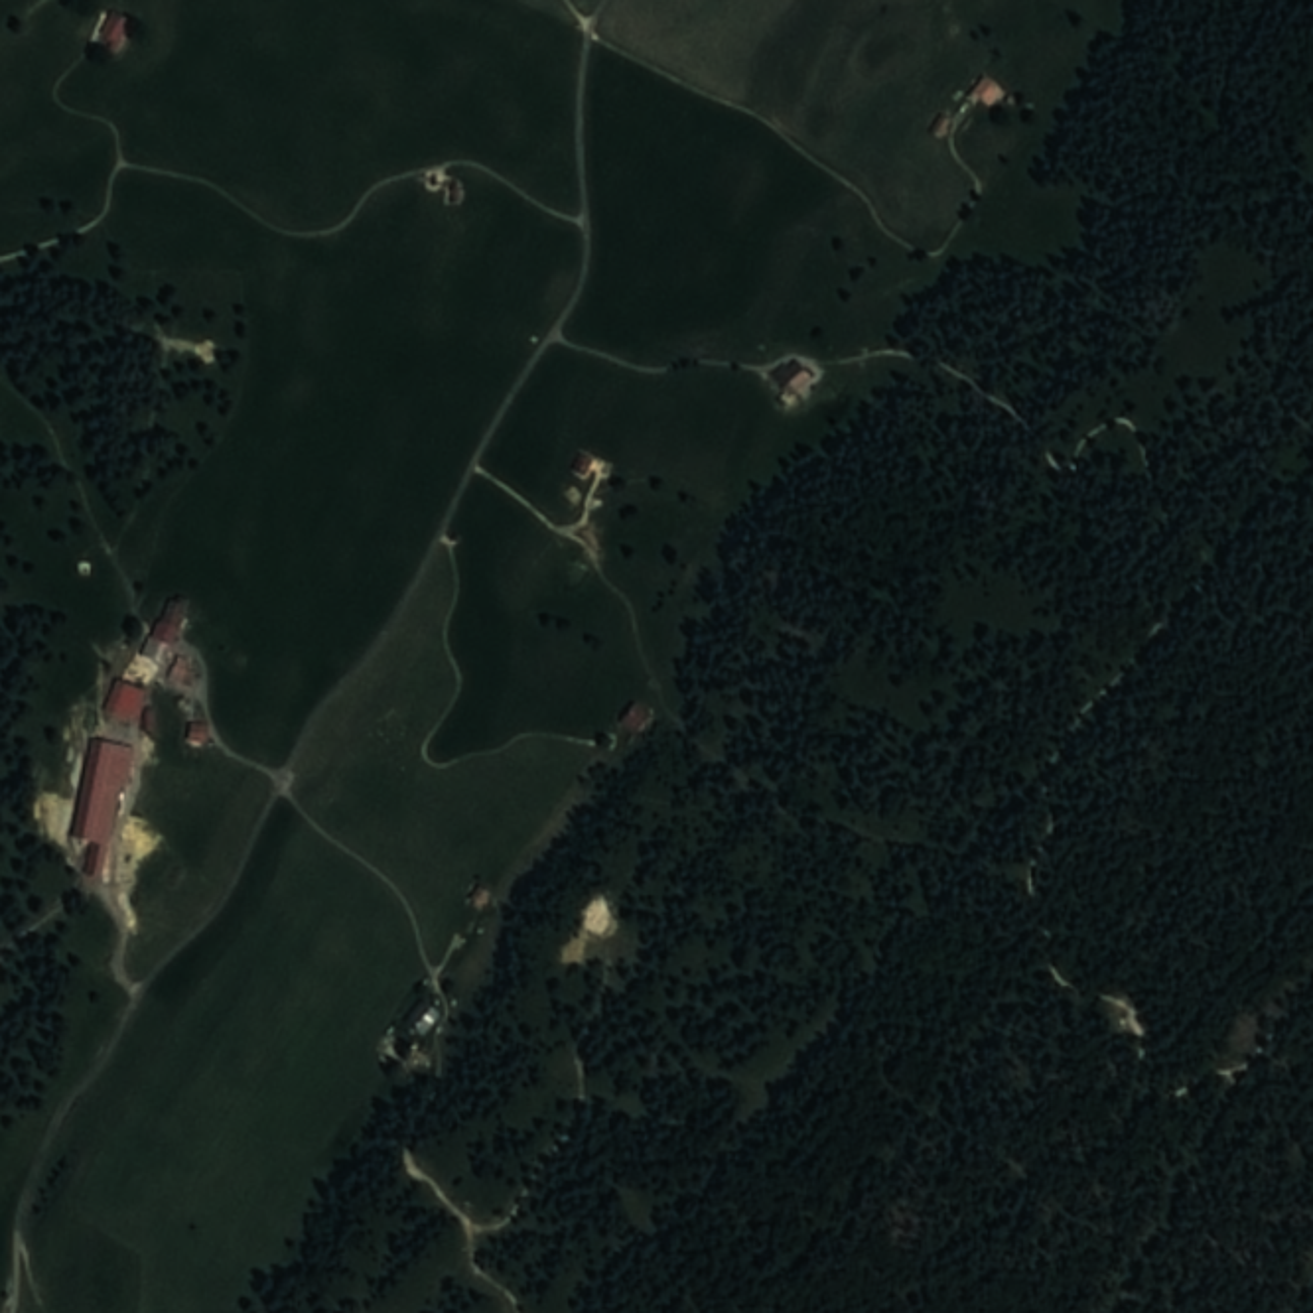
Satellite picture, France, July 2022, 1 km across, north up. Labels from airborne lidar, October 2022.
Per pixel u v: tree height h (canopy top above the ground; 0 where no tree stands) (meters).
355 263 0
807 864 11
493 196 0
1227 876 14
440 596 0
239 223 0
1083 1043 21
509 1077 15
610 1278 16
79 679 0
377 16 0
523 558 0
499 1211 8
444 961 0
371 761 0
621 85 0
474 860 0
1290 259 19
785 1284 25
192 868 0
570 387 0
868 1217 23
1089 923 18
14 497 0
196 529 0
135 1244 0
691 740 12
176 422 0
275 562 0
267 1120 0
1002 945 16
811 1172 19
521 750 0
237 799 0
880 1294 20
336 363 0
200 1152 0
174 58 0
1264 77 23
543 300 0
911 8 0
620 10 0
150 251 0
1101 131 9
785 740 27
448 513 0
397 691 0
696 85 0
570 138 0
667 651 0
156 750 0
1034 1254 28
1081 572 18
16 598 0
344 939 0
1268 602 23
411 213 0
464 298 0
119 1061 0
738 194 0
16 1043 28
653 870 18
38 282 25
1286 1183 23
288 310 0
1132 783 21
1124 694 16
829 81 0
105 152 0
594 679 0
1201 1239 26
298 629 0
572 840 13
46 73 0
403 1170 16
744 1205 16
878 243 0
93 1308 0
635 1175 17
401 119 0
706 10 0
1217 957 13
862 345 0
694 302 0
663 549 0
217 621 0
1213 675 20
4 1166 0
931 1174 21
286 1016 0
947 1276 20
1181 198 24
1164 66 9
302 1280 13
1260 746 19
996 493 23
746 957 21
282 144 0
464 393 0
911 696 0
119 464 20
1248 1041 0
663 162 0
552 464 0
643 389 0
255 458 0
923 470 30
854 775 24
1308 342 26
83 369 24
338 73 0
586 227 0
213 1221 0
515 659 0
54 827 0
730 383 0
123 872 0
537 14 0
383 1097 0
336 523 0
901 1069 26
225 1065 0
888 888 11
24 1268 0
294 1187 0
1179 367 0
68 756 0
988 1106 24
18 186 0
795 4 0
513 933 7
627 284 0
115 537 0
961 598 0
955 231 0
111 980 0
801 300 0
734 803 7
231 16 0
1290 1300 22
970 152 0
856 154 0
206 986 0
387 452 0
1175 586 17
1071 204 0
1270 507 33
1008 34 0
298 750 0
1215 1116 25
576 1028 7
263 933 0
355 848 0
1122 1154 19
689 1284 12
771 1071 0
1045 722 16
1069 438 14
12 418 0
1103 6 0
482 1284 0
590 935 0
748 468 0
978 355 11
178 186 0
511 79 0
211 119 0
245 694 0
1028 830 23
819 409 0
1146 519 28
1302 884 25
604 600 0
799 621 28
